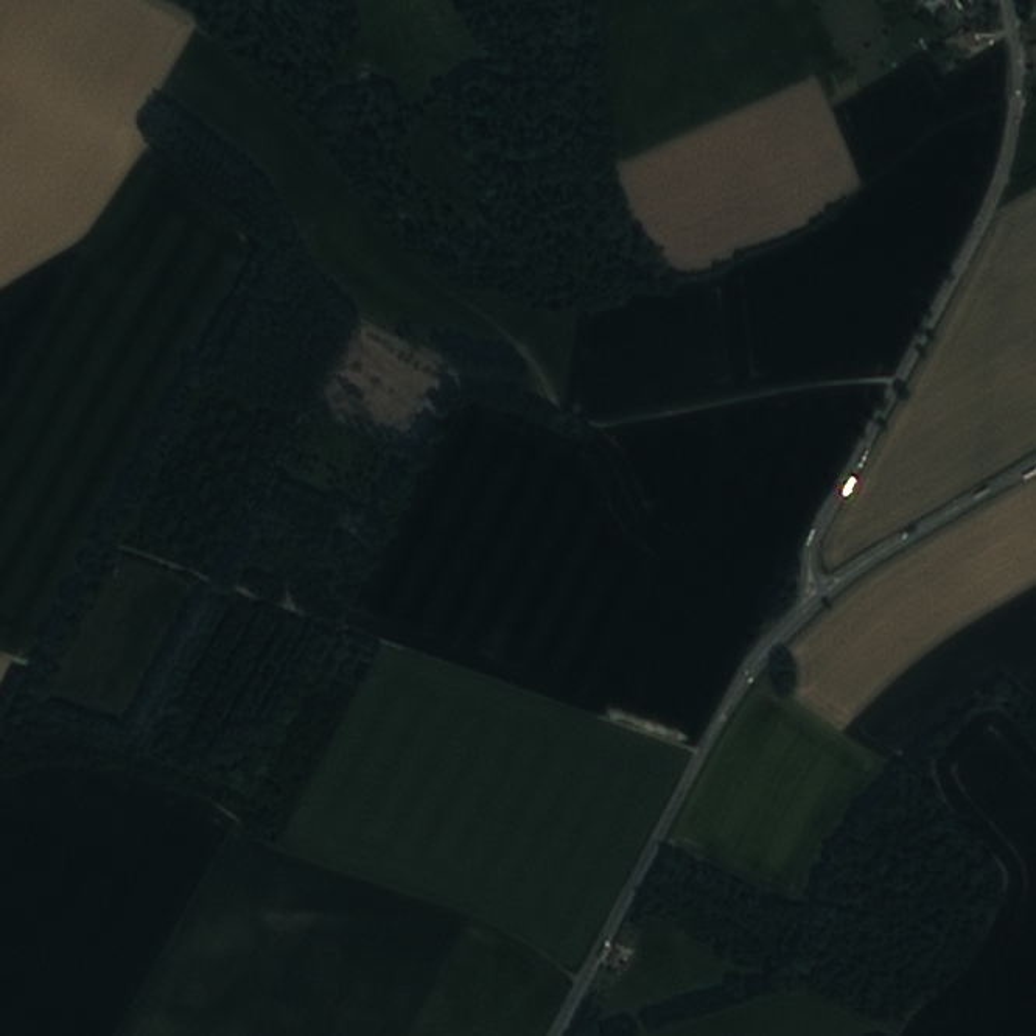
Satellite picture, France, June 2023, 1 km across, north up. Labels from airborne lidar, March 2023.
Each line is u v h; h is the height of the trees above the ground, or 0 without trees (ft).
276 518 93
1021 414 0
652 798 0
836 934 84
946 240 0
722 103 0
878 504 0
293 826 0
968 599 0
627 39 0
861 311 0
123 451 0
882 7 0
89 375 0
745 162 0
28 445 0
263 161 0
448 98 59
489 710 0
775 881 0
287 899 0
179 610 0
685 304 0
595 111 52
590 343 0
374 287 0
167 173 0
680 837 0
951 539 0
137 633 0
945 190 0
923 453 0
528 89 73
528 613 0
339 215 0
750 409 0
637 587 0
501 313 0
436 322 0
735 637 0
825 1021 0
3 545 0
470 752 0
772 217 0
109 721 52
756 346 0
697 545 0
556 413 59
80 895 0
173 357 0
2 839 0
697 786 0
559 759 0
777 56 0
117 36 0
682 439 0
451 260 82
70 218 0
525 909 0
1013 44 0
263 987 0
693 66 0
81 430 0
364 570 54
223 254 0
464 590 0
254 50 70
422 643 0
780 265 0
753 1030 0
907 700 0
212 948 0
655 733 0
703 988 0
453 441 0
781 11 0
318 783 0
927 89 0
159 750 72
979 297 0
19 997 0
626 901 0
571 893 0
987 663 0
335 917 0
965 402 0
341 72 0
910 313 0
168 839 0
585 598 0
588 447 0
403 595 0
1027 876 0
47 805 0
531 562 0
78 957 0
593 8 67
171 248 0
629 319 0
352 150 76
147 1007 0
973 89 0
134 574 0
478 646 0
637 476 0
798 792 0
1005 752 0
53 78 0
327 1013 0
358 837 0
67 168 0
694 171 0
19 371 0
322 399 91
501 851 0
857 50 0
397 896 0
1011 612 0
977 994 0
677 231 0
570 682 0
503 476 0
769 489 0
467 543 0
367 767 0
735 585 0
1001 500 0
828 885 92
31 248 0
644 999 0
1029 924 0
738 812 0
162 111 66
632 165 0
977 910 80
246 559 61
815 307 0
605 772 0
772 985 72
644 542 0
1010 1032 0
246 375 98
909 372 0
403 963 0
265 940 0
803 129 0
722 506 0
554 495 0
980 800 0
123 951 0
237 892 0
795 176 0
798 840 0
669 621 0
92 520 0
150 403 0
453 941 0
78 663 0
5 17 0
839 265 0
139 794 0
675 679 0
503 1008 0
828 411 0
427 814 0
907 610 0
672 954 0
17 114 0
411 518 0
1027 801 0
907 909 62
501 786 0
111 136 0
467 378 109
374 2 0
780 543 0
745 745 0
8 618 0
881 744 0
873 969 78
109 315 0
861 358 0
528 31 93
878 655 0
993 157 0
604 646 0
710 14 0
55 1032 0
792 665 44
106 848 0
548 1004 0
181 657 71
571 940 0
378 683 0
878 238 0
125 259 0
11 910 0
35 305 0
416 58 0
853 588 0
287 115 0
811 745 0
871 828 81
